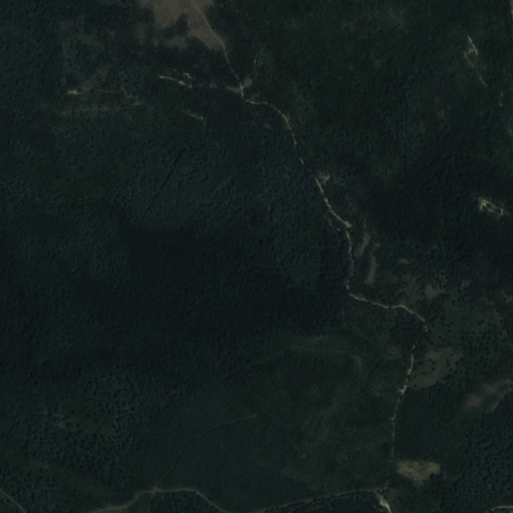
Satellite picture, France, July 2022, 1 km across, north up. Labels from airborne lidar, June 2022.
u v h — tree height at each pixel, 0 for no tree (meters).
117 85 8
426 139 10
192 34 0
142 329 15
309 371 6
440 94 10
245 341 11
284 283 6
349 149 6
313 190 9
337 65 11
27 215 14
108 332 15
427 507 10
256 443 8
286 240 12
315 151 9
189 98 13
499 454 6
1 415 10
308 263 17
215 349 16
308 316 17
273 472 9
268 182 10
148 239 17
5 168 8
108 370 8
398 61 10
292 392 7
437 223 12
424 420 8
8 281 14
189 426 10
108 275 17
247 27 6
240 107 9
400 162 7
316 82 10
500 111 8
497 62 18
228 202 13
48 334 14
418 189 6
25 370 20
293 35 7
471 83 7
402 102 14
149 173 8
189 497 14
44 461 9
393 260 9
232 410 10
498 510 11
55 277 12
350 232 8
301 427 8
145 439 6
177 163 18
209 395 8
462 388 13
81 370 22
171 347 15
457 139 9
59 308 12
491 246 14
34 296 10
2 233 16
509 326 10
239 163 8
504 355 9
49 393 13
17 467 6
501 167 6
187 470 11
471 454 21
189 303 12
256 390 6
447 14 9
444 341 8
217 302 15
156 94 11
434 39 8
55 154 6
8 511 17
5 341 12
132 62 6
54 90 8
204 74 7
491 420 14
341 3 10
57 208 7
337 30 11
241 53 8
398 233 13
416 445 8
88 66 6
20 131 6
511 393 9
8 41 7
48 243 18
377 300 14
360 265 8
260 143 7
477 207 10
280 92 8
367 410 8
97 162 8
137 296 12
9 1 9
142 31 0
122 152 6
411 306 11
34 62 7
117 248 17
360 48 14
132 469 6
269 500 8
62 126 6
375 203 16
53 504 17
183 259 16
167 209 17
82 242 20
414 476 0
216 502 8
